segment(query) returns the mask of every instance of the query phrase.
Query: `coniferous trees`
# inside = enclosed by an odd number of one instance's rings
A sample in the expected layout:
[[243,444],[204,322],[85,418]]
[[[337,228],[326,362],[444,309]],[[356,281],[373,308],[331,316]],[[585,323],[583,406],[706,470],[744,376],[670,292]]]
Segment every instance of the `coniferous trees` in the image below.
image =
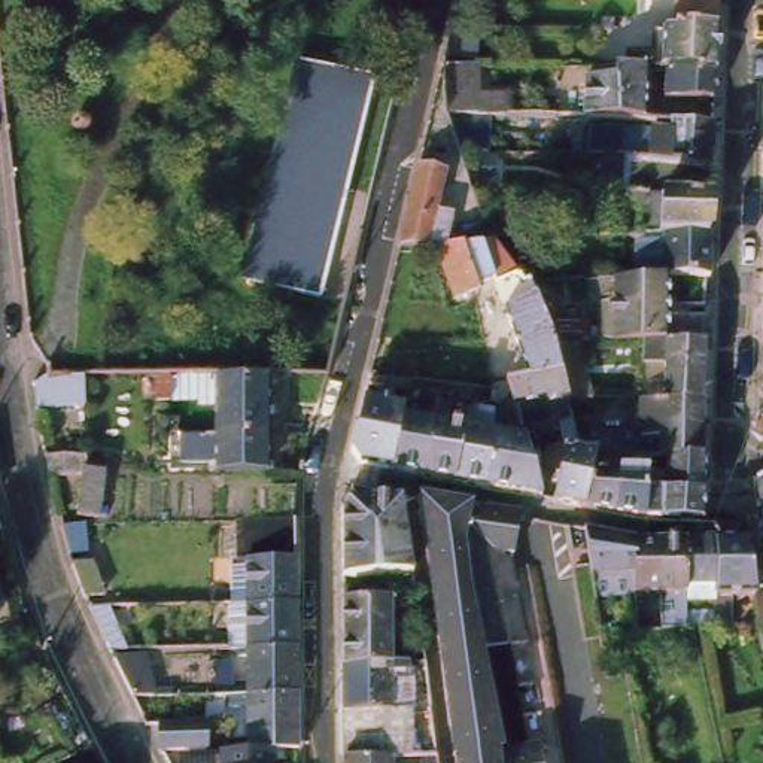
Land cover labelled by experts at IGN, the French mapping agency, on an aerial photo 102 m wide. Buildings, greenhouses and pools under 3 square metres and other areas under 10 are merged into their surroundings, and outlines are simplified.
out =
[[161,104],[185,83],[185,77],[194,75],[191,63],[179,51],[152,42],[146,51],[131,54],[131,75],[125,92],[149,104]]
[[152,203],[134,203],[134,197],[116,206],[104,206],[101,200],[89,212],[83,227],[86,250],[122,265],[140,259],[146,244],[155,238],[155,209]]

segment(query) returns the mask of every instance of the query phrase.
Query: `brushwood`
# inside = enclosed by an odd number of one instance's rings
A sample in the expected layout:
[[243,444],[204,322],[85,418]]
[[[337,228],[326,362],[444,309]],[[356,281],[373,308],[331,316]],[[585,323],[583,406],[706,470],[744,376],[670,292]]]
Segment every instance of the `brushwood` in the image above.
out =
[[674,700],[659,688],[656,674],[662,668],[674,668],[680,677],[700,680],[718,754],[712,763],[763,763],[763,647],[757,620],[724,626],[721,620],[683,620],[677,626],[656,626],[647,632],[641,620],[629,611],[629,593],[611,596],[608,611],[614,617],[608,626],[602,626],[605,641],[617,635],[620,644],[629,650],[635,671],[635,683],[644,694],[644,724],[653,757],[650,763],[703,763],[697,757],[694,715],[688,709],[688,700]]
[[229,218],[229,224],[235,227],[235,235],[244,244],[241,271],[247,274],[253,271],[256,256],[262,250],[265,215],[268,203],[274,200],[274,173],[280,164],[280,149],[271,137],[253,134],[244,134],[232,146],[209,149],[203,155],[206,164],[197,179],[203,206]]
[[143,712],[161,721],[164,730],[209,730],[209,739],[232,733],[235,718],[218,721],[215,712],[206,709],[206,703],[173,703],[161,691],[155,697],[140,700]]
[[27,629],[0,632],[0,751],[24,751],[39,736],[45,742],[66,742],[69,736],[60,727],[60,721],[72,709],[72,697],[42,668],[48,662],[48,653],[39,650],[39,638]]
[[9,548],[0,536],[0,605],[6,602],[12,587],[24,587],[30,578],[27,569],[18,563],[15,548]]
[[244,340],[235,328],[227,325],[212,331],[209,337],[197,331],[185,346],[176,346],[164,334],[161,322],[149,319],[146,313],[140,328],[119,325],[116,316],[125,301],[119,301],[116,283],[125,277],[122,265],[86,250],[77,277],[75,352],[57,349],[51,358],[54,370],[66,373],[83,373],[86,367],[116,367],[140,367],[224,370],[265,367],[274,358],[271,349],[259,346],[256,340]]
[[137,632],[143,644],[161,644],[203,644],[229,638],[229,632],[224,629],[227,599],[167,599],[134,605]]

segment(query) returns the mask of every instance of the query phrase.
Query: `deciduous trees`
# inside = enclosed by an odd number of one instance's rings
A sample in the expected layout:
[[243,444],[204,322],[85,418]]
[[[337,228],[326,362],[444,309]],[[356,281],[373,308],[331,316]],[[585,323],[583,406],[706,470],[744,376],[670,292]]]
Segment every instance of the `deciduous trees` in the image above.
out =
[[581,247],[578,221],[569,215],[566,206],[545,197],[522,197],[504,179],[504,173],[539,173],[539,164],[531,161],[531,155],[536,152],[536,146],[548,143],[548,128],[471,116],[453,116],[450,125],[465,140],[459,161],[468,164],[468,173],[474,179],[480,203],[477,212],[486,218],[495,209],[504,209],[510,238],[536,265],[542,265],[566,265],[572,253]]
[[617,197],[605,197],[596,212],[599,235],[635,238],[632,227],[626,224]]
[[63,474],[48,468],[51,513],[63,516],[75,513],[72,486]]
[[414,77],[429,45],[429,36],[417,15],[390,18],[387,12],[376,9],[370,15],[352,18],[352,33],[340,39],[343,48],[337,51],[337,60],[340,69],[367,75],[373,95],[390,98],[393,104],[405,101],[414,92]]
[[441,268],[444,253],[438,247],[417,241],[405,247],[396,277],[420,301],[429,292],[444,292],[447,286]]
[[405,602],[402,641],[405,647],[417,650],[429,647],[432,632],[423,620],[423,599],[432,596],[432,581],[408,590]]
[[620,644],[617,635],[605,641],[605,647],[596,653],[599,668],[608,677],[635,671],[629,650]]
[[468,45],[483,42],[495,48],[498,57],[534,57],[522,33],[498,33],[498,27],[483,15],[483,0],[459,0],[453,24],[459,39]]
[[18,119],[27,128],[51,128],[72,119],[75,137],[66,137],[57,146],[54,161],[63,176],[75,176],[83,182],[86,176],[104,179],[101,200],[104,206],[116,206],[134,197],[134,203],[152,203],[155,209],[155,238],[146,244],[140,259],[122,265],[125,277],[116,283],[119,301],[125,301],[116,316],[119,325],[140,328],[146,313],[149,319],[161,322],[164,334],[176,346],[185,346],[197,331],[209,337],[212,331],[227,325],[235,328],[244,340],[256,340],[259,346],[271,349],[274,358],[280,367],[286,367],[304,361],[304,367],[319,370],[325,367],[328,346],[337,337],[337,301],[325,292],[301,295],[280,289],[274,298],[268,298],[268,280],[259,283],[247,274],[241,271],[244,244],[235,235],[235,227],[229,224],[229,218],[203,206],[197,179],[206,164],[203,155],[209,149],[232,146],[244,134],[253,134],[244,116],[235,116],[229,104],[215,98],[215,77],[238,75],[247,48],[259,48],[262,72],[286,69],[292,75],[295,66],[295,24],[286,21],[268,0],[188,0],[170,18],[170,24],[152,36],[152,42],[179,51],[191,63],[194,75],[185,77],[185,83],[161,104],[149,104],[125,92],[119,116],[125,122],[119,125],[116,137],[95,149],[83,137],[89,116],[80,107],[89,95],[101,92],[104,86],[98,69],[110,66],[122,54],[89,45],[89,18],[98,9],[158,9],[161,0],[0,0],[0,48],[6,86],[15,101]]

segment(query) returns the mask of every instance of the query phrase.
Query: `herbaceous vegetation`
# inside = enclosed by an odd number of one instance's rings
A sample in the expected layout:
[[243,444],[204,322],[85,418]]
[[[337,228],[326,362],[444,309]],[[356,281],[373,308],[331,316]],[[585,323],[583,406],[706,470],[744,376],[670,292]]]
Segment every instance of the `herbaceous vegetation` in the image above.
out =
[[280,137],[286,131],[283,101],[292,75],[286,69],[262,72],[259,48],[247,48],[238,75],[215,77],[215,98],[229,104],[235,116],[244,116],[253,134],[271,137]]
[[483,69],[489,72],[513,72],[519,83],[534,83],[536,57],[554,60],[557,51],[605,51],[608,33],[602,21],[617,18],[620,12],[635,12],[635,0],[483,0],[483,15],[498,27],[498,33],[522,33],[534,57],[498,57],[495,48],[483,42],[468,45],[459,39],[450,42],[447,57],[465,63],[483,60]]
[[680,677],[674,668],[662,668],[656,674],[659,688],[674,700],[688,700],[688,709],[694,715],[697,757],[703,763],[712,763],[718,754],[700,680]]
[[69,736],[66,742],[45,742],[39,736],[24,751],[0,751],[0,763],[77,763],[72,757]]
[[304,459],[328,453],[328,432],[316,429],[307,417],[310,402],[322,393],[328,382],[319,370],[304,367],[304,361],[286,367],[298,379],[298,396],[268,420],[268,462],[271,468],[298,465]]
[[340,39],[352,33],[352,18],[370,15],[376,9],[387,12],[390,18],[417,15],[429,36],[441,36],[453,24],[459,0],[268,0],[286,21],[295,24],[295,66],[307,63],[307,57],[337,60],[337,51],[343,48]]
[[536,629],[545,629],[548,623],[554,623],[554,611],[548,596],[548,575],[539,560],[536,566],[528,566],[528,584]]
[[393,104],[390,98],[373,95],[352,188],[373,191],[382,140]]
[[21,218],[21,250],[33,334],[45,328],[48,307],[54,301],[54,277],[66,221],[83,182],[75,176],[63,176],[54,161],[57,146],[66,137],[75,137],[72,119],[51,128],[27,128],[18,119],[15,101],[9,104],[9,143],[15,161],[15,197]]
[[566,206],[569,215],[578,221],[581,247],[572,253],[566,265],[542,265],[534,274],[534,280],[554,319],[554,331],[569,376],[569,390],[587,399],[599,393],[632,396],[635,402],[641,402],[641,396],[635,393],[635,376],[629,376],[626,370],[644,364],[644,337],[602,337],[602,301],[596,283],[599,274],[641,268],[635,262],[635,238],[599,235],[596,212],[605,197],[617,197],[626,224],[632,227],[632,188],[626,182],[617,182],[626,158],[611,146],[599,146],[590,155],[590,173],[566,176],[545,197]]
[[51,444],[54,450],[83,450],[89,465],[101,465],[107,471],[137,459],[146,450],[146,444],[167,441],[173,429],[212,429],[215,414],[206,405],[161,402],[143,396],[137,373],[140,367],[116,367],[110,373],[107,402],[86,399],[72,414],[51,405],[51,435],[45,435],[45,444]]
[[98,69],[104,86],[101,92],[89,95],[80,107],[89,116],[83,137],[95,149],[116,137],[119,125],[125,122],[119,116],[125,92],[131,75],[131,54],[146,51],[152,42],[152,36],[170,24],[170,18],[188,0],[161,0],[158,9],[98,9],[89,18],[89,45],[122,54],[110,66]]
[[596,611],[602,626],[608,626],[614,617],[608,611],[611,596],[596,596],[593,572],[587,566],[578,566],[575,587],[581,620]]
[[221,551],[221,539],[209,534],[203,522],[125,522],[98,531],[98,539],[107,545],[116,566],[116,587],[206,587],[215,581],[212,566]]
[[376,373],[387,384],[387,390],[396,390],[408,373],[435,379],[453,376],[474,382],[492,370],[492,352],[486,346],[477,301],[456,301],[447,286],[444,292],[429,292],[420,301],[396,277],[382,328],[384,355],[376,361]]

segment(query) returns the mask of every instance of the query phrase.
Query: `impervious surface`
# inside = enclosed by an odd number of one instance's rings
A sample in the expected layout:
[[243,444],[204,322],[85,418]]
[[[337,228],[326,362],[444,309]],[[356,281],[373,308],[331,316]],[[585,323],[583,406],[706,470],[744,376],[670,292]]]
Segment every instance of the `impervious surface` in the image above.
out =
[[539,560],[548,575],[548,596],[554,611],[554,623],[548,623],[545,629],[545,650],[554,683],[551,715],[560,733],[560,763],[650,763],[653,757],[644,724],[644,694],[635,683],[635,671],[608,677],[599,668],[596,653],[605,647],[605,641],[602,626],[596,611],[581,620],[575,587],[578,566],[578,548],[572,545],[569,525],[545,519],[531,519],[531,551]]
[[429,680],[423,683],[423,691],[432,694],[438,730],[435,763],[453,763],[453,742],[447,730],[441,691],[438,641],[432,632],[429,647],[417,650],[420,659],[429,662]]
[[45,435],[51,435],[51,405],[42,405],[36,399],[33,384],[39,382],[36,367],[45,358],[51,358],[57,349],[75,352],[77,277],[86,250],[83,227],[89,212],[101,200],[104,179],[86,176],[83,182],[66,221],[54,277],[54,301],[48,307],[45,328],[33,334],[21,250],[21,218],[15,197],[15,161],[9,143],[9,104],[15,101],[6,86],[0,48],[0,536],[9,548],[15,548],[18,563],[27,569],[30,578],[24,587],[12,587],[6,602],[0,605],[0,632],[27,629],[39,638],[39,650],[48,653],[48,662],[42,668],[72,697],[72,709],[60,721],[60,727],[69,736],[72,757],[77,763],[152,763],[149,730],[137,724],[143,712],[140,700],[116,650],[101,644],[95,647],[83,629],[83,620],[92,614],[95,602],[86,593],[77,560],[72,557],[72,542],[63,516],[51,513],[48,468],[54,450],[51,444],[45,444]]
[[474,107],[471,116],[548,128],[557,122],[551,107]]
[[215,653],[232,650],[229,638],[203,644],[161,644],[164,665],[173,677],[206,683],[215,677]]
[[763,468],[763,444],[748,435],[748,399],[745,384],[733,379],[730,343],[739,325],[739,250],[733,235],[739,224],[757,224],[763,212],[763,179],[757,176],[757,164],[751,158],[763,137],[763,0],[721,0],[718,21],[724,45],[718,60],[733,69],[736,83],[724,89],[724,116],[697,125],[694,137],[688,137],[694,143],[694,155],[674,167],[680,179],[718,179],[718,191],[712,194],[718,200],[718,218],[712,227],[694,229],[694,262],[712,271],[709,280],[718,286],[718,313],[706,319],[674,316],[668,331],[706,334],[706,355],[715,364],[712,405],[706,411],[706,417],[715,423],[715,441],[709,447],[706,465],[706,513],[715,522],[721,522],[721,528],[736,531],[736,545],[745,554],[757,554],[757,563],[763,563],[763,498],[757,492],[754,474]]
[[370,572],[346,578],[349,590],[396,590],[396,596],[405,602],[408,590],[432,581],[426,563],[423,504],[408,504],[414,572]]
[[331,709],[331,605],[325,602],[325,587],[331,584],[334,483],[349,441],[352,402],[361,367],[376,373],[376,361],[384,355],[382,328],[396,277],[405,247],[393,247],[396,221],[408,188],[408,170],[402,167],[402,158],[408,158],[414,149],[414,137],[426,107],[435,51],[447,57],[450,42],[459,39],[453,24],[441,36],[429,36],[429,45],[414,77],[414,92],[405,101],[393,104],[382,140],[373,191],[352,188],[325,292],[337,301],[337,337],[328,346],[325,367],[319,370],[328,382],[322,393],[310,402],[307,417],[316,429],[328,432],[328,453],[304,459],[298,465],[304,471],[304,477],[295,480],[295,510],[304,536],[304,739],[295,739],[295,763],[337,763]]

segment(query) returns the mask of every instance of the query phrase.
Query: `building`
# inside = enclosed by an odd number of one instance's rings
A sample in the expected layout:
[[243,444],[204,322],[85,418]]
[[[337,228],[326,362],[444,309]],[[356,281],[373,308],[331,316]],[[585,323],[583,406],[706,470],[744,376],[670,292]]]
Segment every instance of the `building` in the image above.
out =
[[757,164],[757,176],[763,179],[763,137],[751,158]]
[[[167,441],[146,444],[146,450],[137,459],[107,471],[101,465],[89,465],[83,450],[54,450],[48,468],[63,474],[72,486],[75,513],[63,516],[72,542],[72,557],[77,560],[86,593],[95,602],[92,614],[83,620],[83,629],[95,647],[101,644],[116,650],[140,700],[155,697],[161,691],[173,703],[206,703],[206,709],[215,712],[218,721],[235,718],[232,733],[209,739],[209,730],[164,730],[161,721],[143,712],[137,724],[149,730],[152,763],[295,763],[295,739],[304,739],[304,536],[295,510],[295,480],[304,477],[304,471],[298,465],[271,468],[268,462],[268,420],[298,396],[298,379],[286,367],[280,367],[274,358],[265,367],[224,370],[140,367],[137,373],[143,396],[161,402],[206,405],[215,414],[212,429],[173,429]],[[221,551],[212,566],[215,581],[206,587],[116,587],[116,566],[107,545],[98,539],[98,531],[125,522],[203,522],[209,534],[221,539]],[[161,644],[143,644],[137,632],[134,605],[167,599],[227,599],[224,629],[229,632],[229,638],[232,650],[215,653],[215,677],[206,683],[173,677],[164,665]]]
[[[635,0],[635,12],[620,12],[617,18],[602,21],[608,33],[605,51],[557,51],[554,60],[536,57],[534,83],[519,83],[513,72],[489,72],[483,69],[483,60],[465,63],[447,57],[435,51],[426,107],[414,137],[414,149],[408,158],[402,158],[402,167],[408,170],[408,188],[396,221],[393,247],[405,247],[417,241],[438,247],[444,253],[441,268],[447,286],[456,301],[477,301],[486,346],[492,352],[492,370],[474,382],[453,376],[435,379],[408,373],[396,390],[387,390],[387,384],[376,373],[361,367],[352,402],[349,441],[334,483],[331,584],[325,587],[325,602],[331,605],[331,709],[337,763],[435,763],[438,730],[432,694],[423,691],[423,683],[429,680],[429,662],[420,659],[417,650],[405,647],[402,641],[405,602],[396,596],[396,590],[349,590],[346,578],[370,572],[414,572],[408,504],[423,504],[426,563],[432,581],[432,596],[423,599],[423,620],[432,632],[438,641],[441,691],[447,730],[453,742],[453,763],[560,763],[560,733],[551,715],[554,683],[545,650],[545,629],[536,629],[528,584],[528,566],[536,566],[539,560],[531,551],[531,519],[545,519],[569,525],[572,545],[578,548],[578,566],[587,566],[593,572],[596,596],[611,596],[629,593],[629,611],[641,620],[647,632],[656,626],[677,626],[683,620],[721,620],[724,626],[757,620],[763,647],[763,563],[757,563],[757,554],[745,554],[736,545],[736,531],[721,528],[721,522],[715,522],[706,513],[706,465],[709,447],[715,441],[715,423],[706,417],[706,411],[712,405],[715,364],[706,355],[706,334],[668,331],[674,316],[706,319],[718,313],[718,286],[709,280],[712,271],[694,262],[694,229],[712,227],[718,218],[718,200],[712,194],[718,191],[718,179],[680,179],[674,167],[694,155],[694,143],[688,137],[694,137],[697,125],[724,116],[724,89],[736,83],[733,69],[718,60],[724,45],[718,21],[721,0]],[[474,179],[468,173],[468,164],[459,161],[465,140],[450,125],[453,116],[471,116],[474,107],[551,107],[557,122],[548,128],[548,143],[536,146],[536,152],[531,155],[531,161],[539,164],[539,173],[504,173],[504,179],[522,197],[545,197],[566,176],[590,173],[590,155],[599,146],[611,146],[626,158],[617,182],[626,182],[632,188],[632,227],[635,238],[635,262],[641,268],[599,274],[596,283],[602,301],[602,337],[644,337],[644,364],[626,370],[629,376],[635,376],[635,393],[641,396],[641,402],[635,402],[632,396],[599,393],[587,399],[569,390],[569,376],[554,331],[554,319],[534,280],[534,274],[542,265],[536,265],[510,238],[504,209],[495,209],[486,218],[477,212],[480,203]]]
[[763,468],[754,474],[757,492],[763,498]]
[[274,173],[274,200],[268,203],[265,215],[262,250],[256,256],[253,271],[247,274],[259,283],[268,280],[268,298],[274,298],[280,289],[301,295],[325,292],[352,188],[373,95],[367,75],[340,69],[337,60],[307,57],[307,63],[295,66],[292,75],[283,101],[286,131],[280,137],[271,137],[280,149],[280,164]]
[[739,325],[730,343],[733,379],[745,384],[748,399],[748,435],[763,444],[763,212],[757,224],[739,224],[733,235],[739,250]]
[[51,405],[72,414],[86,399],[107,402],[110,373],[116,367],[86,367],[83,373],[66,373],[54,370],[51,358],[45,358],[36,367],[39,382],[33,384],[36,399],[42,405]]

